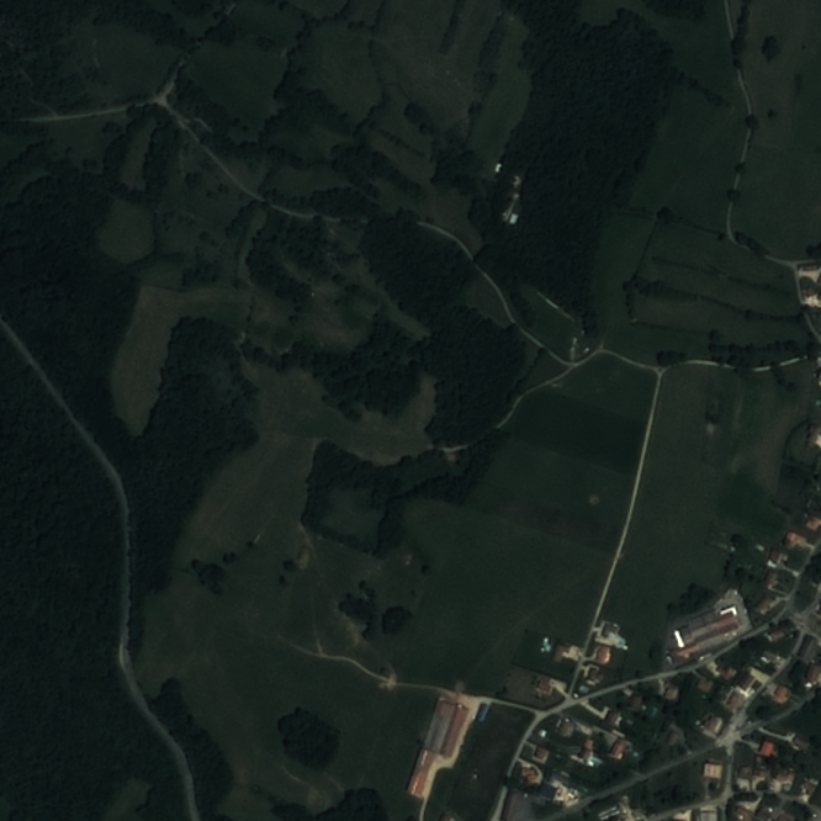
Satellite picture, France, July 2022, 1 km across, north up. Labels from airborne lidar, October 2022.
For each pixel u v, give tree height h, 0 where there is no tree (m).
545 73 12
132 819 0
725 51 0
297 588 0
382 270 14
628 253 0
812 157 0
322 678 0
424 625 0
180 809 13
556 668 0
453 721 0
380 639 0
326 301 0
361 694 0
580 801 0
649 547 0
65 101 7
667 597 0
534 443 0
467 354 11
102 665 16
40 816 11
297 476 0
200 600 0
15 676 15
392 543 12
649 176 0
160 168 10
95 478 11
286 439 0
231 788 15
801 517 0
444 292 17
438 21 0
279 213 8
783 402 0
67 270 11
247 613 0
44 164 12
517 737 0
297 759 10
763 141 0
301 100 11
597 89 11
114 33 0
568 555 0
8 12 17
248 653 0
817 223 0
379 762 0
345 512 0
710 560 0
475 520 0
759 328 0
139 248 0
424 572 13
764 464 0
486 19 0
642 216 0
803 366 0
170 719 19
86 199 14
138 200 11
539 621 0
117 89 0
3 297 21
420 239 8
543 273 13
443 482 15
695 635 0
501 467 0
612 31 14
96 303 8
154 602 0
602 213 12
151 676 0
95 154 0
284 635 0
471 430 14
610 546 0
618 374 0
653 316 0
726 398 0
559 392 0
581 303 17
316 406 0
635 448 0
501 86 0
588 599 0
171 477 17
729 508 0
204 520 0
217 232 0
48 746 15
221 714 0
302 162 12
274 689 0
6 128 16
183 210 0
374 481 6
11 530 16
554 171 16
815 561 12
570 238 18
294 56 9
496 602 0
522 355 12
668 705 10
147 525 17
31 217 23
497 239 11
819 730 0
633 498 0
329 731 16
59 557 22
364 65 0
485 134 0
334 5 0
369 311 0
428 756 0
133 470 14
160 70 0
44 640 21
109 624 15
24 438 25
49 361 15
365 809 16
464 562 0
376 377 16
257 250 7
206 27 0
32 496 15
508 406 10
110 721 13
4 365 17
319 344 0
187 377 11
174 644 0
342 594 0
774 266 0
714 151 0
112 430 23
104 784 20
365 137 11
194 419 16
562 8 6
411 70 0
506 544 0
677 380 0
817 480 12
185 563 0
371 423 0
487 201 7
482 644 0
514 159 13
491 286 0
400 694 0
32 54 12
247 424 10
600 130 18
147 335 0
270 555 0
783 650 0
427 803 0
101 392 14
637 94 19
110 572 16
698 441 0
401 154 0
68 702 13
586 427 0
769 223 0
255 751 0
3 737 9
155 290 0
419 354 7
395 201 0
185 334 17
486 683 0
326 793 0
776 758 17
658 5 11
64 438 12
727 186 0
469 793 0
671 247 0
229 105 0
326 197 14
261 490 0
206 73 0
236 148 16
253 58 0
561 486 0
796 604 0
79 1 10
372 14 0
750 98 0
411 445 0
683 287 0
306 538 0
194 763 14
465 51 0
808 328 10
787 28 0
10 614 21
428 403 0
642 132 18
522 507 0
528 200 12
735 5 0
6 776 12
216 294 0
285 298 13
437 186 15
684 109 0
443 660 0
